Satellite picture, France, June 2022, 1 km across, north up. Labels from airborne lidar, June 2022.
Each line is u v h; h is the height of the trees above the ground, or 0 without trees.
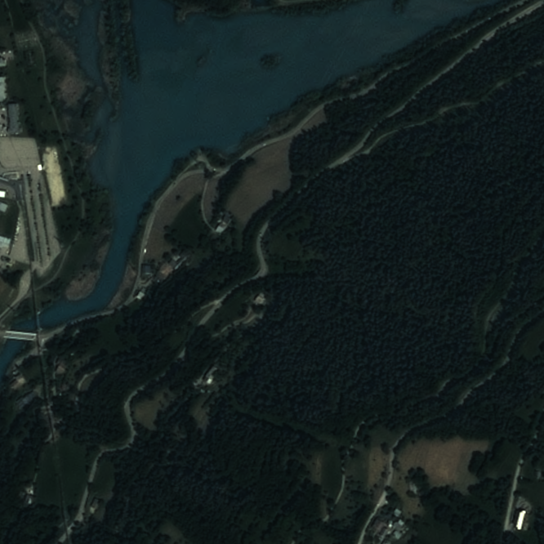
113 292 0
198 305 20
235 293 16
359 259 15
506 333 22
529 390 30
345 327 16
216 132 0
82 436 17
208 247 7
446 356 34
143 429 19
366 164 20
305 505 23
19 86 0
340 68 0
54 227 0
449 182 26
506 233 23
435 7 0
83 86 0
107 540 28
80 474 0
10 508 21
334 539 8
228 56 0
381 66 13
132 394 0
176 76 0
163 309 27
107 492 0
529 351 0
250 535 15
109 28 9
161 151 0
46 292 8
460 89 19
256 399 15
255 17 0
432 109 20
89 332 17
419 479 23
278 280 14
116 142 0
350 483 9
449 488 13
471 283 21
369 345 29
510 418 17
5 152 0
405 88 20
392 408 21
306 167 18
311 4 9
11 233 0
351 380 24
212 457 20
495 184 22
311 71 0
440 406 25
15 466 18
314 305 18
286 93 0
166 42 0
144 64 0
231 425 26
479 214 27
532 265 23
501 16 16
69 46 0
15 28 0
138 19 0
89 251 0
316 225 18
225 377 7
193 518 30
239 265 19
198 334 16
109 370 21
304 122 0
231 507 29
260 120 0
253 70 0
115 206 0
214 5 18
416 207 25
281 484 25
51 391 8
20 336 0
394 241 16
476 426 33
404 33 0
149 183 0
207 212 0
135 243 10
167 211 0
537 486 0
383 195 18
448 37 16
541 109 25
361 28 0
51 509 16
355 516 8
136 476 22
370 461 0
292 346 23
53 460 0
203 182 0
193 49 0
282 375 26
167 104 0
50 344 9
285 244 0
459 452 0
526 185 22
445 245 23
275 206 14
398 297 19
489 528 18
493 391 24
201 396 6
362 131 18
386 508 8
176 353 9
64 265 0
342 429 21
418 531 7
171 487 17
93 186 13
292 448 19
